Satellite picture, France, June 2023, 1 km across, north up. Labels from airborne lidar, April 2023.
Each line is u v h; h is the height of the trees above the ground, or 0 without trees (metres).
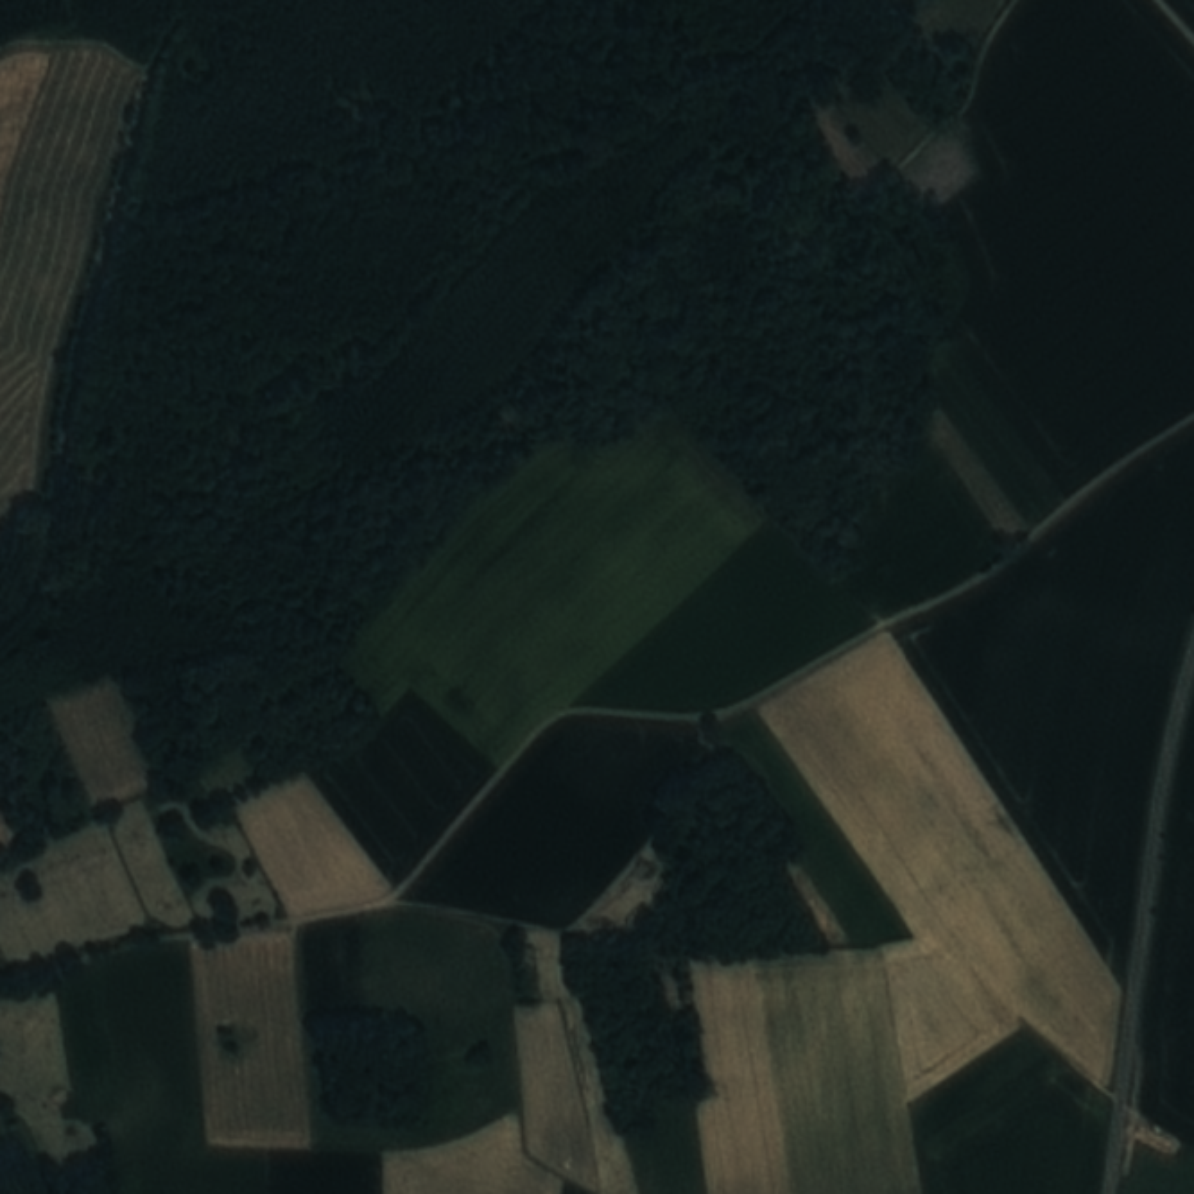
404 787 0
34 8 21
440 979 0
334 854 0
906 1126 0
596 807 0
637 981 21
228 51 15
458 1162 0
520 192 27
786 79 13
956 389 0
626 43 27
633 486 0
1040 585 0
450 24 17
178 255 28
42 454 0
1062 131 0
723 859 21
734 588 0
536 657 0
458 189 18
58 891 0
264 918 9
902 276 32
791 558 0
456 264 18
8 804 16
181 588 13
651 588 0
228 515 27
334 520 23
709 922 20
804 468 14
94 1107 0
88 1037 0
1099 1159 0
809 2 25
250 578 24
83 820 12
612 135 22
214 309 25
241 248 23
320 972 0
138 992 0
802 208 30
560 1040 0
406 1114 22
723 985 0
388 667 0
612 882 0
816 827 0
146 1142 0
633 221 8
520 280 20
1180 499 0
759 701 0
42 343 0
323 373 25
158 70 13
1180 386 0
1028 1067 0
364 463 22
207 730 26
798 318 29
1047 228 0
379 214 20
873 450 26
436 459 18
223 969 0
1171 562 0
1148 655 0
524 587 0
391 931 0
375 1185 0
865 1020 0
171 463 21
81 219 0
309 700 20
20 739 14
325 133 17
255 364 28
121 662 10
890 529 0
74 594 10
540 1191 0
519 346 24
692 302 22
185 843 0
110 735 0
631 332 26
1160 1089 0
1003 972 0
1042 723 0
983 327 0
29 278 0
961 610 0
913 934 0
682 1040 22
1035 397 0
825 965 0
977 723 0
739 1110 0
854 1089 0
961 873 0
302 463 31
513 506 0
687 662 0
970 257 0
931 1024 0
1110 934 0
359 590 24
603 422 24
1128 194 0
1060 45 0
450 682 0
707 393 18
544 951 0
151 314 22
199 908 0
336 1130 0
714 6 17
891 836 0
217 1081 0
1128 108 0
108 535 23
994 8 0
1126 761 0
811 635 0
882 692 0
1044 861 0
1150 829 0
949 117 22
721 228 17
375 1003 0
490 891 0
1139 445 0
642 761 0
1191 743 0
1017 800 0
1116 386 0
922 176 0
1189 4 0
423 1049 23
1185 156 0
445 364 23
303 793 0
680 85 24
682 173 23
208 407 26
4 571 29
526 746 0
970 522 0
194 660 24
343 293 22
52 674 12
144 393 29
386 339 24
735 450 26
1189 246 0
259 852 0
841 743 0
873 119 0
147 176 16
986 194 0
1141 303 0
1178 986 0
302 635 24
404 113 17
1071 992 0
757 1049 0
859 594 0
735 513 0
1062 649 0
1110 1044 0
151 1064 0
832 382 25
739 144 12
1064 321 0
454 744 0
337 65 14
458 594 0
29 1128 0
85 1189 29
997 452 0
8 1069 0
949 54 14
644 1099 24
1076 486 0
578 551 0
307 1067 0
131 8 15
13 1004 0
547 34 6
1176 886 0
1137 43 0
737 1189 0
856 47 34
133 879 0
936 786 0
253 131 17
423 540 29
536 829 0
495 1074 0
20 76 0
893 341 27
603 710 0
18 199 0
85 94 0
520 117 30
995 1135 0
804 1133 0
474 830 0
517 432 8
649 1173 0
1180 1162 0
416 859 0
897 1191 0
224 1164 0
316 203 28
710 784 22
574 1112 0
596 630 0
